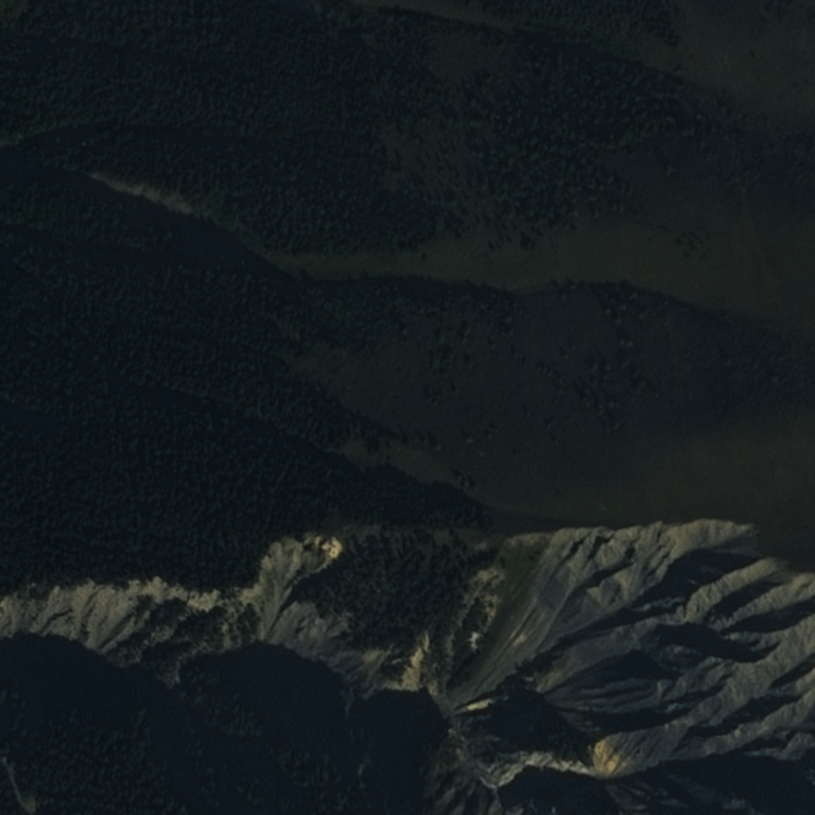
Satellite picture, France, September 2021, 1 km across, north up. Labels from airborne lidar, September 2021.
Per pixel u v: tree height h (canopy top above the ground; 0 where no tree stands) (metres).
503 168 9
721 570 0
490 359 0
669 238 0
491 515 0
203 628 10
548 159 12
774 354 0
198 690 18
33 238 6
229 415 13
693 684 0
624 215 0
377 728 0
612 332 0
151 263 9
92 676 8
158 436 27
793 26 0
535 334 0
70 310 20
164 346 23
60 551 24
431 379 0
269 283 9
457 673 9
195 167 22
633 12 19
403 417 0
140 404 24
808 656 0
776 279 0
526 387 0
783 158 0
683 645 0
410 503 10
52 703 9
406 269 0
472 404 0
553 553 0
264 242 15
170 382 23
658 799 0
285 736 0
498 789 0
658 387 0
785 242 0
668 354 0
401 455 0
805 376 0
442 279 0
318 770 10
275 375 17
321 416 15
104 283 19
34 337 20
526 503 0
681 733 0
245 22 13
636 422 0
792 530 0
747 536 0
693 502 0
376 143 9
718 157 0
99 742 17
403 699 0
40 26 21
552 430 0
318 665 0
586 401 7
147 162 25
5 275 8
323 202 11
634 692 0
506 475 0
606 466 0
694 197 0
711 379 0
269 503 26
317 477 15
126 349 19
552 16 19
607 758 0
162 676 11
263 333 17
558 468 0
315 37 16
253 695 6
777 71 0
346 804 7
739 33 0
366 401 0
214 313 19
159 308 20
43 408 21
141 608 9
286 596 0
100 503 22
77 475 20
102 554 22
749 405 0
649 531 0
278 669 0
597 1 19
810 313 0
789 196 0
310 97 15
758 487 0
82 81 21
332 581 10
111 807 25
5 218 14
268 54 11
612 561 0
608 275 0
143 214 7
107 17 22
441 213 7
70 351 11
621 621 0
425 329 0
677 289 0
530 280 0
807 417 0
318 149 16
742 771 0
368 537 0
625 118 12
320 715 0
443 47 0
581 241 0
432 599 22
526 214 11
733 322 0
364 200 17
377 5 0
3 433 20
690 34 0
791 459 0
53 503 19
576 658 0
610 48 8
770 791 0
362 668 0
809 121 0
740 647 0
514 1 17
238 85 17
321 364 0
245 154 22
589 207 0
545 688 0
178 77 22
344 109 6
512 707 0
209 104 20
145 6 9
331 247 5
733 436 0
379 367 0
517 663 0
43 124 16
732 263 0
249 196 20
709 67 0
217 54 15
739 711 0
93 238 11
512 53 0
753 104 0
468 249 0
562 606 0
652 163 0
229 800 0
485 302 9
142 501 18
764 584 0
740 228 0
